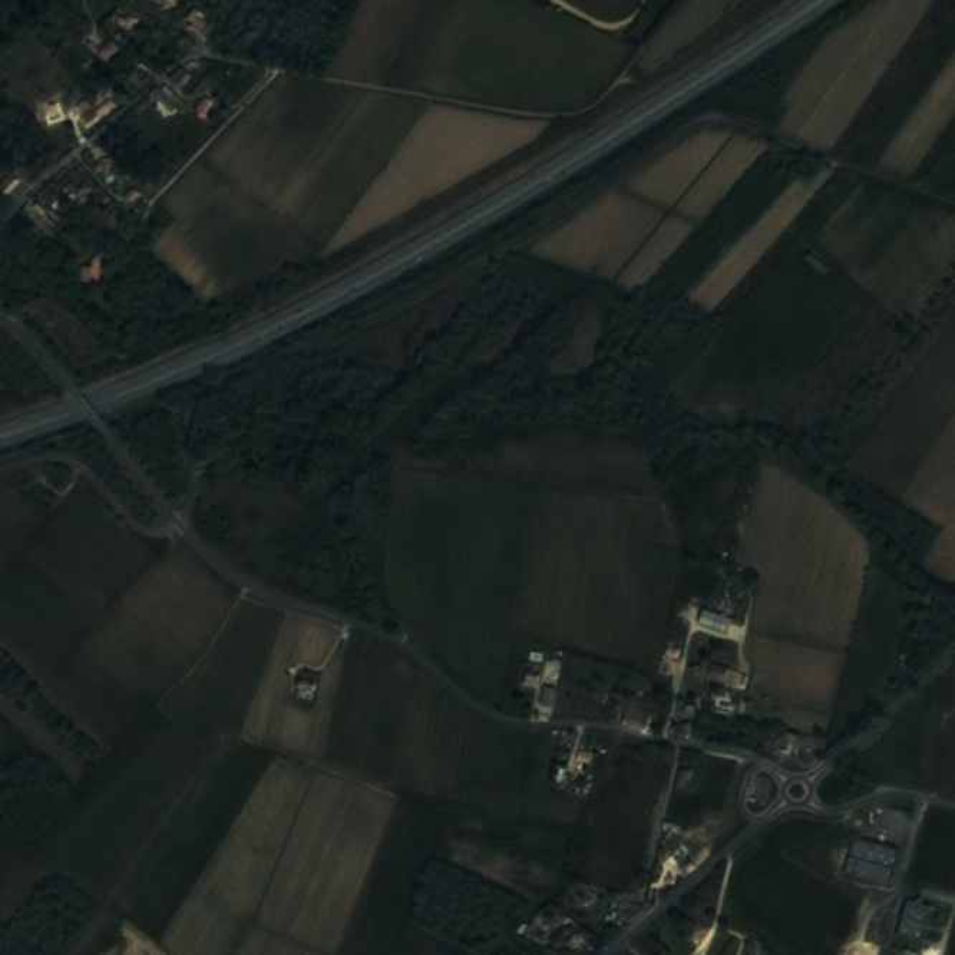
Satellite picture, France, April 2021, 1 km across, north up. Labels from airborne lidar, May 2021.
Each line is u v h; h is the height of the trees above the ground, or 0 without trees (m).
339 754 0
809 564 0
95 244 16
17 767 17
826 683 0
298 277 8
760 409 0
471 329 13
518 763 0
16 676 13
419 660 0
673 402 13
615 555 0
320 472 19
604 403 16
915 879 0
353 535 17
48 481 8
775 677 0
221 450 27
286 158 0
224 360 0
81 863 0
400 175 0
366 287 0
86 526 0
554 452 0
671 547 0
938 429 0
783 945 0
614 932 8
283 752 0
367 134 0
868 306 0
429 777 0
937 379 0
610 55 0
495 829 0
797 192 0
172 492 9
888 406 0
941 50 0
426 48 0
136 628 0
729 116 0
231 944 0
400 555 0
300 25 9
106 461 12
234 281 0
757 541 0
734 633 0
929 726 0
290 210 0
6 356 9
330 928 0
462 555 0
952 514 0
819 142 0
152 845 0
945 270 0
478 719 0
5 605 0
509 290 7
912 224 0
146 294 15
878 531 11
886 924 0
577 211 0
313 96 0
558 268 7
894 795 0
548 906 7
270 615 0
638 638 0
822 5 0
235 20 15
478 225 0
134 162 13
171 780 0
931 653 13
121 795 0
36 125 18
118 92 11
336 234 0
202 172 0
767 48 0
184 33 10
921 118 0
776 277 0
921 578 19
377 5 0
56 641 0
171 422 12
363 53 0
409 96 0
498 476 0
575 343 0
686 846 0
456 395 12
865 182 0
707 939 0
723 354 0
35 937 13
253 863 0
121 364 9
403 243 0
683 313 10
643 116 0
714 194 0
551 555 0
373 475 14
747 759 0
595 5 0
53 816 6
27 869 0
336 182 0
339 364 14
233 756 0
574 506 0
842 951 0
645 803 0
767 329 0
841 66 0
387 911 0
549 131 0
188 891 0
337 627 0
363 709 0
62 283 19
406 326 0
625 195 0
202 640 0
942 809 0
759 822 0
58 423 0
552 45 0
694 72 0
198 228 0
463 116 0
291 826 0
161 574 0
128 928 0
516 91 0
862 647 0
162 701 0
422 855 0
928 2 0
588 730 0
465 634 0
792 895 0
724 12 0
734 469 0
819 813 0
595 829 0
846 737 7
